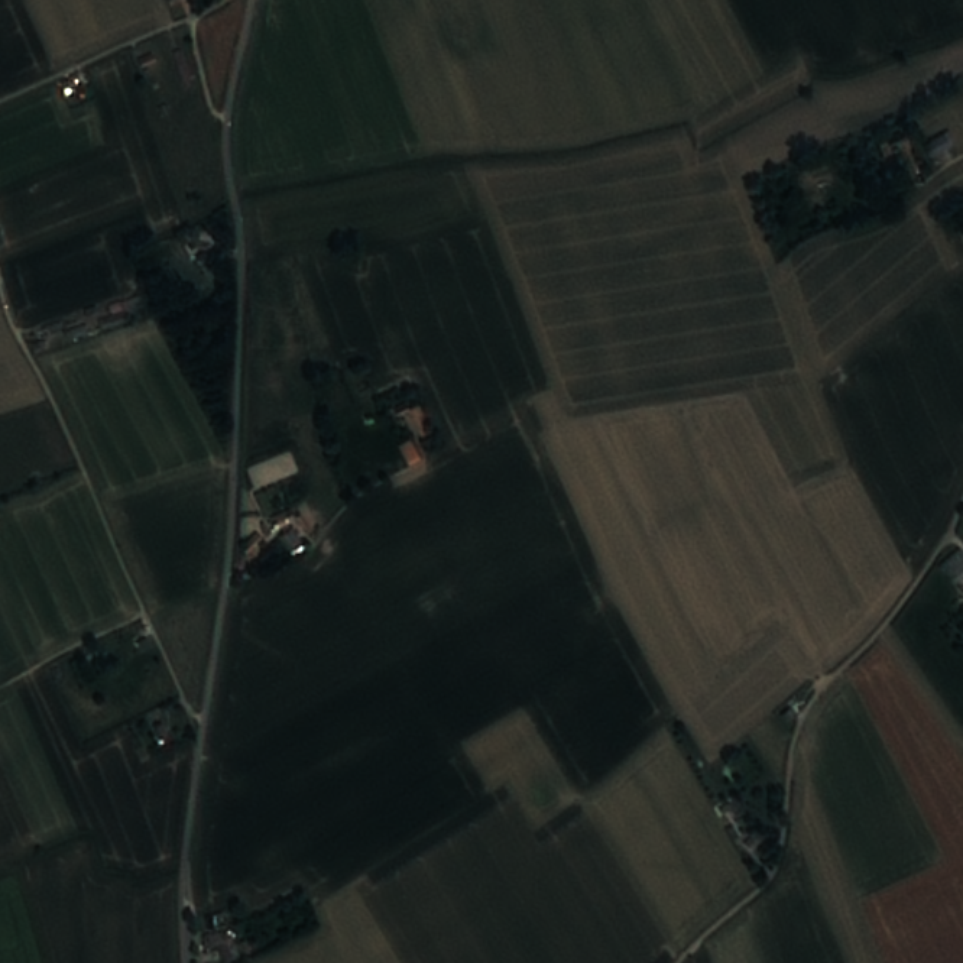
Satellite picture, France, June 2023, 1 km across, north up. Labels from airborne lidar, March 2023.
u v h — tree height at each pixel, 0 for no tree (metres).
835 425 0
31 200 0
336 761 0
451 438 0
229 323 16
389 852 0
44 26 0
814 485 0
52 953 0
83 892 0
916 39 0
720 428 0
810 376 0
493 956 0
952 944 0
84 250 0
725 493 0
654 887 0
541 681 0
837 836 0
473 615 0
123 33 0
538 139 0
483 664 0
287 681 0
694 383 0
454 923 0
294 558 9
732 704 0
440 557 0
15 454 0
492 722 0
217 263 19
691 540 0
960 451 0
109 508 0
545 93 0
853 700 0
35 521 0
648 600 0
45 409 0
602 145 0
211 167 0
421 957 0
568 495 0
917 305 0
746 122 0
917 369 0
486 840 0
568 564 0
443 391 0
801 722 0
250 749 0
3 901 0
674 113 0
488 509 0
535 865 0
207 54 0
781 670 0
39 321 0
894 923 0
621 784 0
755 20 0
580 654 0
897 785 0
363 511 0
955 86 17
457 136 0
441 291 0
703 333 0
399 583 0
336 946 0
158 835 0
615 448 0
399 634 0
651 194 0
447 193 0
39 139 0
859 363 0
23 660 0
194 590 0
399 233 0
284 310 0
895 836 0
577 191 0
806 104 0
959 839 0
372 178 0
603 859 0
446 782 0
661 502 0
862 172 13
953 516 0
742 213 0
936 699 0
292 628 0
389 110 0
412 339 0
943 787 0
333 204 0
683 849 0
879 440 0
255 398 0
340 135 0
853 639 0
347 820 0
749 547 0
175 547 0
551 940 0
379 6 0
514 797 0
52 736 0
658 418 0
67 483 0
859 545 0
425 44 0
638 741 0
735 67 0
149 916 0
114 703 0
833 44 0
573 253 0
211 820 0
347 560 0
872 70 0
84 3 0
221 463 0
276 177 0
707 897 0
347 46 0
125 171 0
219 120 0
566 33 0
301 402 0
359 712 0
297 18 0
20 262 0
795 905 0
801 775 0
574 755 0
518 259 0
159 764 0
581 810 0
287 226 0
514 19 0
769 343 0
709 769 0
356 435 0
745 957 0
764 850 12
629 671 0
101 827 0
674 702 0
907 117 16
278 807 0
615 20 0
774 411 0
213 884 0
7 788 0
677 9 0
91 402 0
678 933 0
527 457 0
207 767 0
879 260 0
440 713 0
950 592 0
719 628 0
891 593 0
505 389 0
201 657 0
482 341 0
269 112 0
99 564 0
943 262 0
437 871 0
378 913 0
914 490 0
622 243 0
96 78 0
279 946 7
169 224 0
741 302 0
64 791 0
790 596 0
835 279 0
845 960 0
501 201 0
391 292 0
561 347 0
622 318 0
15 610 0
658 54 0
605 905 0
